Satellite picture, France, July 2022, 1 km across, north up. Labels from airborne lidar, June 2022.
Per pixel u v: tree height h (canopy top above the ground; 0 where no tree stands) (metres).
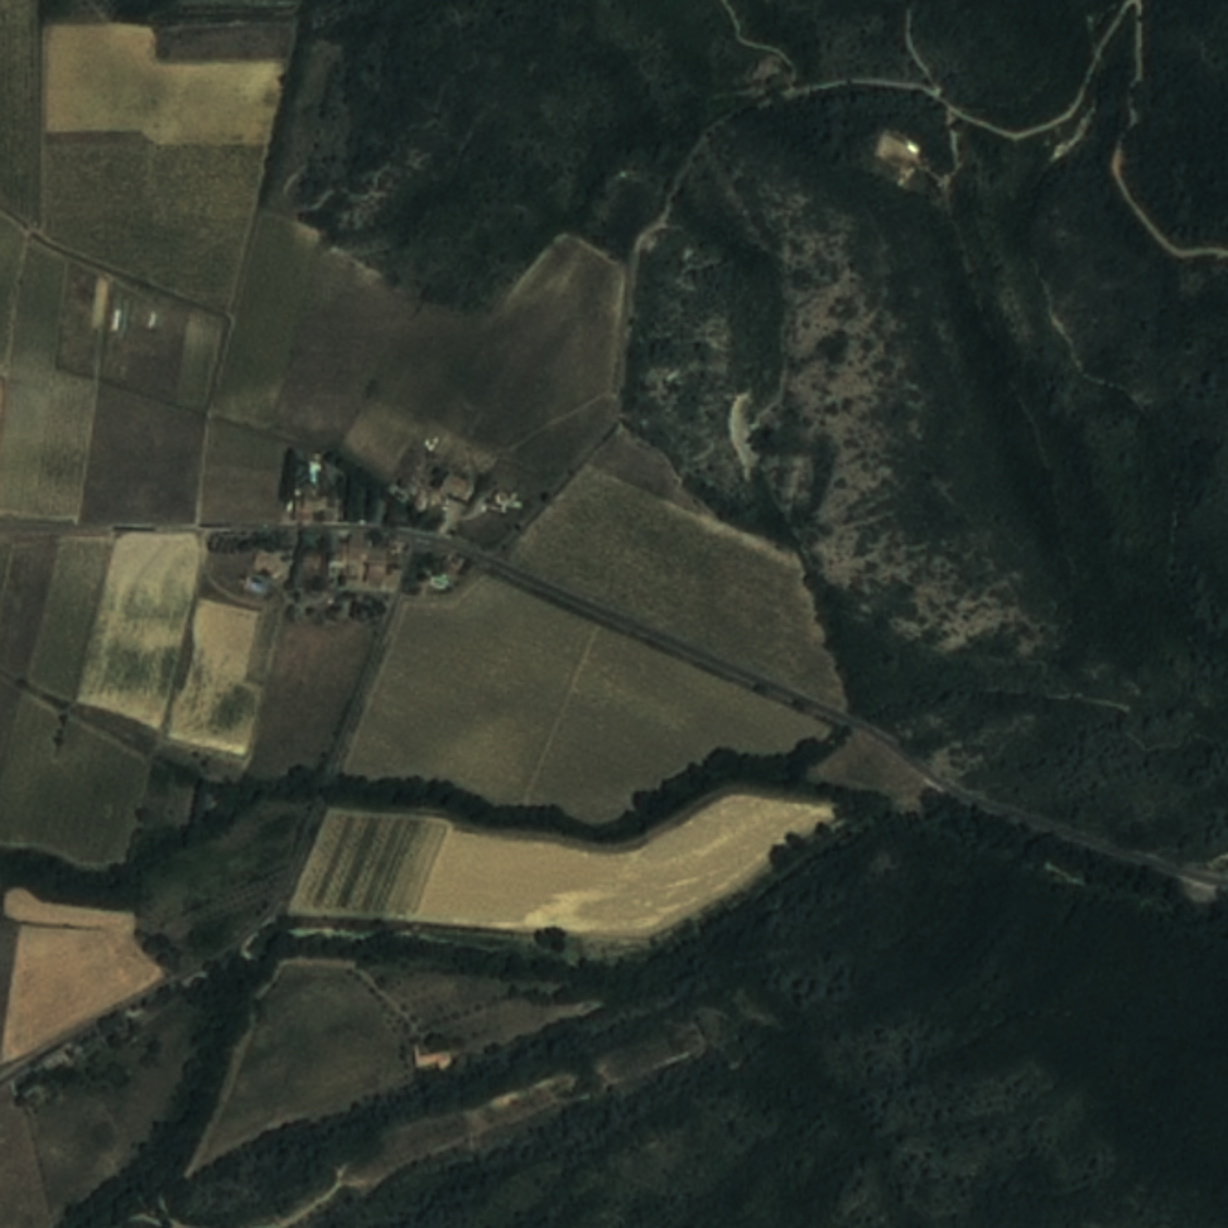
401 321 0
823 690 0
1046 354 15
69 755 0
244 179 0
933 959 8
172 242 0
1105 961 7
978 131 8
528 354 0
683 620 0
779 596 0
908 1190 15
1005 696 6
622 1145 7
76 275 0
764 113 9
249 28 0
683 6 6
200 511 0
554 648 0
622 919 0
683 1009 7
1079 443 9
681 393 8
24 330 0
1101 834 6
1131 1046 8
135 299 0
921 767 0
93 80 0
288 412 0
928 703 9
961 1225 6
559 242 0
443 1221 12
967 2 7
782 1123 6
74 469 0
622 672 0
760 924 6
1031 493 7
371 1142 8
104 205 0
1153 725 18
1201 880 0
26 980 0
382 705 0
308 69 0
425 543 0
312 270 0
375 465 0
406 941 22
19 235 0
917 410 0
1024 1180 5
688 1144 0
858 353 0
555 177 9
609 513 0
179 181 0
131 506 0
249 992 14
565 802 0
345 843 0
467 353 0
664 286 8
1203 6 7
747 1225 6
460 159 11
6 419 0
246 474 0
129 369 0
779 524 6
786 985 12
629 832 8
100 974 0
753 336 6
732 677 0
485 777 0
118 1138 0
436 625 0
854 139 8
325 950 9
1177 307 7
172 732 0
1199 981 9
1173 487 7
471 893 0
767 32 8
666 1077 9
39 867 8
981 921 9
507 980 13
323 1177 8
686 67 6
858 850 17
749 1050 17
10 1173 0
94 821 0
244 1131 0
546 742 0
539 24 6
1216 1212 6
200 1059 8
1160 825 7
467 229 6
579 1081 6
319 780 9
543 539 0
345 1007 0
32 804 0
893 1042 11
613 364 0
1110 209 7
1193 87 7
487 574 0
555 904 0
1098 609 6
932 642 6
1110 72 7
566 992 11
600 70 7
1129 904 6
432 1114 11
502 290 0
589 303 0
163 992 9
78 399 0
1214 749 7
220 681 0
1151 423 7
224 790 17
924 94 9
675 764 0
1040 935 10
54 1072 6
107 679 0
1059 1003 8
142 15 5
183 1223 7
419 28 8
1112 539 15
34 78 0
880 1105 11
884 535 0
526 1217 9
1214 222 7
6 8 0
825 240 0
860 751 0
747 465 0
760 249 7
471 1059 9
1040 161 7
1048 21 10
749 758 14
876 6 6
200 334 0
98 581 0
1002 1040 7
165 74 0
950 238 5
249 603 0
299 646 0
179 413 0
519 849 0
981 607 0
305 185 9
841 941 6
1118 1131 9
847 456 0
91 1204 10
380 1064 0
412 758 0
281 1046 0
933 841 13
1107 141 8
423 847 0
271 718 0
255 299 0
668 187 9
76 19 0
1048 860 23
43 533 0
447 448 0
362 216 0
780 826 0
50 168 0
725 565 0
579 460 0
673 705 0
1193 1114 8
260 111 0
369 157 6
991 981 5
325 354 0
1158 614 7
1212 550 7
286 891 0
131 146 0
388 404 0
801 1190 8
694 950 15
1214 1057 10
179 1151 17
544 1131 11
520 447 0
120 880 14
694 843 0
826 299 0
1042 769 14
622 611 0
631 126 5
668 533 0
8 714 0
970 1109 9
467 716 0
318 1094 0
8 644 0
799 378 0
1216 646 11
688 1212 6
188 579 0
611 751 0
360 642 0
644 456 0
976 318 6
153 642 0
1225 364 9
